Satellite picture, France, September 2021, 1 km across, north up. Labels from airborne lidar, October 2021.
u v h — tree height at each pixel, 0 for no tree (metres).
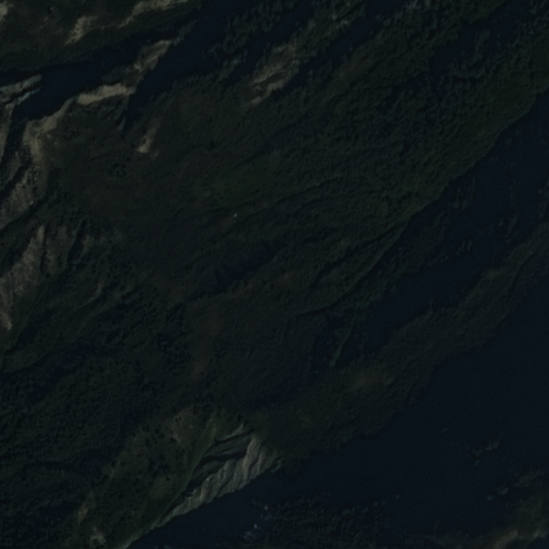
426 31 19
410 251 6
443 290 6
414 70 19
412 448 5
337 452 5
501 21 10
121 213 0
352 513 7
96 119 0
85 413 8
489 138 7
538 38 16
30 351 7
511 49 6
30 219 0
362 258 12
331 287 7
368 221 6
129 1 7
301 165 8
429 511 7
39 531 14
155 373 0
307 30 9
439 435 7
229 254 6
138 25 6
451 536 0
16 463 11
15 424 7
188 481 0
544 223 9
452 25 22
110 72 9
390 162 8
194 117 0
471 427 9
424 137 8
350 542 6
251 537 0
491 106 15
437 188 8
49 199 7
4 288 0
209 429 0
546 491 0
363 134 9
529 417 6
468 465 6
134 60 7
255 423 0
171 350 10
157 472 7
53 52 5
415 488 8
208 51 14
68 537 12
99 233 12
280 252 5
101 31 8
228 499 0
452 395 5
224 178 0
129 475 9
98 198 0
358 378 0
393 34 9
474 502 8
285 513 8
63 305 6
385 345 8
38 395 10
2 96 6
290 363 6
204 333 0
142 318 7
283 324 5
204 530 0
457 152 15
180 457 9
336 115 9
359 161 8
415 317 8
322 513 6
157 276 0
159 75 10
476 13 37
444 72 35
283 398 6
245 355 6
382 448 6
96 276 7
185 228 8
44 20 0
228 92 8
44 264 18
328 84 9
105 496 9
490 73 9
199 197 0
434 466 6
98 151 0
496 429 6
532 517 0
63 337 6
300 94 7
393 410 5
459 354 7
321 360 6
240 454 0
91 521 10
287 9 17
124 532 8
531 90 11
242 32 6
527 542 0
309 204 5
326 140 7
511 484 7
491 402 8
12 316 10
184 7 6
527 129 5
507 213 7
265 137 6
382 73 14
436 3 24
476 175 11
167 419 0
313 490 7
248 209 0
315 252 8
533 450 9
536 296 6
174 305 0
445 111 8
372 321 0
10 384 12
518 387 6
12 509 7
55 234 7
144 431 10
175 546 0
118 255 8
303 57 9
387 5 11
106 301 11
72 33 0
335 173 13
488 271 7
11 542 6
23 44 0
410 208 8
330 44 12
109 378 8
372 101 17
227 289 15
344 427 6
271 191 8
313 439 8
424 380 6
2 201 8
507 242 6
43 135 0
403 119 12
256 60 9
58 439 10
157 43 7
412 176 11
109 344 12
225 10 7
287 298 7
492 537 0
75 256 12
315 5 24
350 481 6
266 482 0
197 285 7
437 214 7
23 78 6
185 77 9
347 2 8
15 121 8
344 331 7
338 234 11
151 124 0
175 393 0
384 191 13
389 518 7
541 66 14
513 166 7
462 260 6
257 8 9
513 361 8
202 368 0
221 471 0
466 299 7
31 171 6
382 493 7
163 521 0
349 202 6
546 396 6
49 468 7
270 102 8
